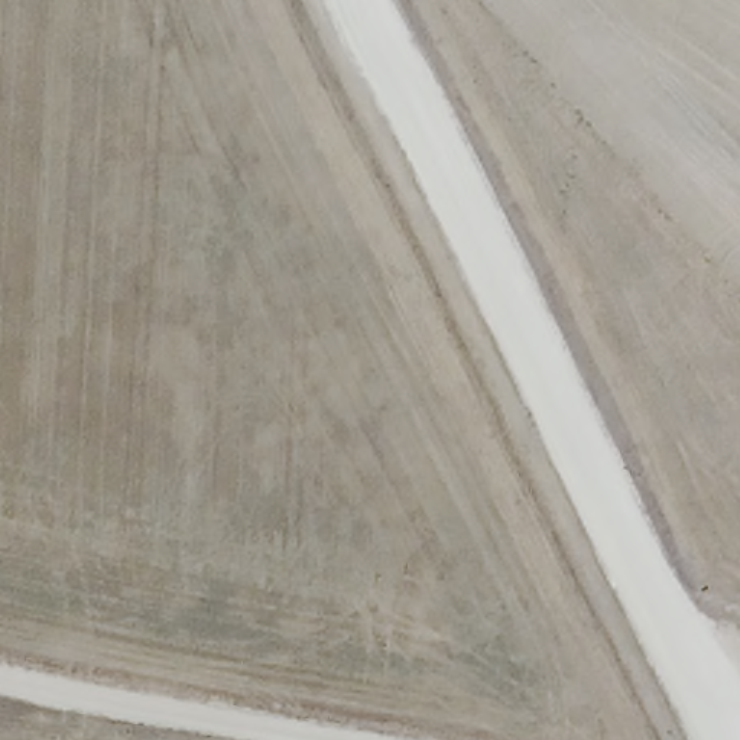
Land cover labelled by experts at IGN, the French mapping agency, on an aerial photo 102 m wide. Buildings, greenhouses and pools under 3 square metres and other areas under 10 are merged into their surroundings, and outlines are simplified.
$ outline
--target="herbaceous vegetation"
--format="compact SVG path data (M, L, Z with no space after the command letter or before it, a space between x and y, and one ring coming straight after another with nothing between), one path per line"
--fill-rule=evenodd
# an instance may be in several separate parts
M0 694L0 740L234 740L188 728L162 728L130 720L113 720L101 714L61 711Z

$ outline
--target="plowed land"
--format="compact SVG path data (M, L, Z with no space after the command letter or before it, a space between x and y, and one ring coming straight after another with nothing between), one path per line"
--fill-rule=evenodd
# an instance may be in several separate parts
M648 650L616 587L607 578L595 543L575 509L575 500L558 465L552 463L535 413L526 405L520 384L497 344L497 335L491 332L460 269L460 260L428 202L428 194L419 185L416 171L399 136L393 133L387 116L376 104L370 84L361 78L358 66L353 64L353 55L338 40L338 32L324 0L0 0L0 665L20 665L29 671L46 671L95 685L162 694L176 700L223 700L237 708L266 711L289 720L350 726L358 731L405 740L691 740L653 662L648 659Z
M494 191L494 199L509 220L512 234L520 243L520 251L541 286L546 309L552 312L564 335L564 344L584 379L584 387L613 445L621 454L624 471L630 474L642 497L642 509L662 543L668 567L674 569L676 581L702 616L708 616L711 621L731 624L740 633L740 0L396 0L416 46L422 49L428 66L434 69L434 78L439 81L448 104L454 107L463 136L471 145Z

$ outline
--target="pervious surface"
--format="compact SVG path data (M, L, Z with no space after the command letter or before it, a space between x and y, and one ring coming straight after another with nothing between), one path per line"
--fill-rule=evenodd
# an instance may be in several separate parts
M46 671L29 671L20 665L0 665L0 694L61 711L101 714L113 720L130 720L162 728L188 728L234 740L405 740L358 731L350 726L289 720L266 711L237 708L223 700L176 700L162 694L95 685Z
M607 578L616 587L648 650L648 659L653 662L691 740L740 740L740 633L731 624L711 621L708 616L702 616L676 581L674 569L668 567L662 543L642 509L642 497L630 474L624 471L621 454L613 445L584 387L584 379L564 344L564 335L552 312L546 309L541 286L520 251L520 243L512 234L509 220L494 199L494 191L471 145L463 136L454 107L448 104L439 81L434 78L434 69L428 66L422 49L416 46L396 0L324 0L338 32L338 40L353 55L353 64L358 66L361 78L370 84L376 104L387 116L393 133L399 136L416 171L419 185L428 194L428 202L460 260L460 269L491 332L497 335L497 344L520 384L526 405L535 413L552 463L558 465L575 500L575 509L595 543Z

